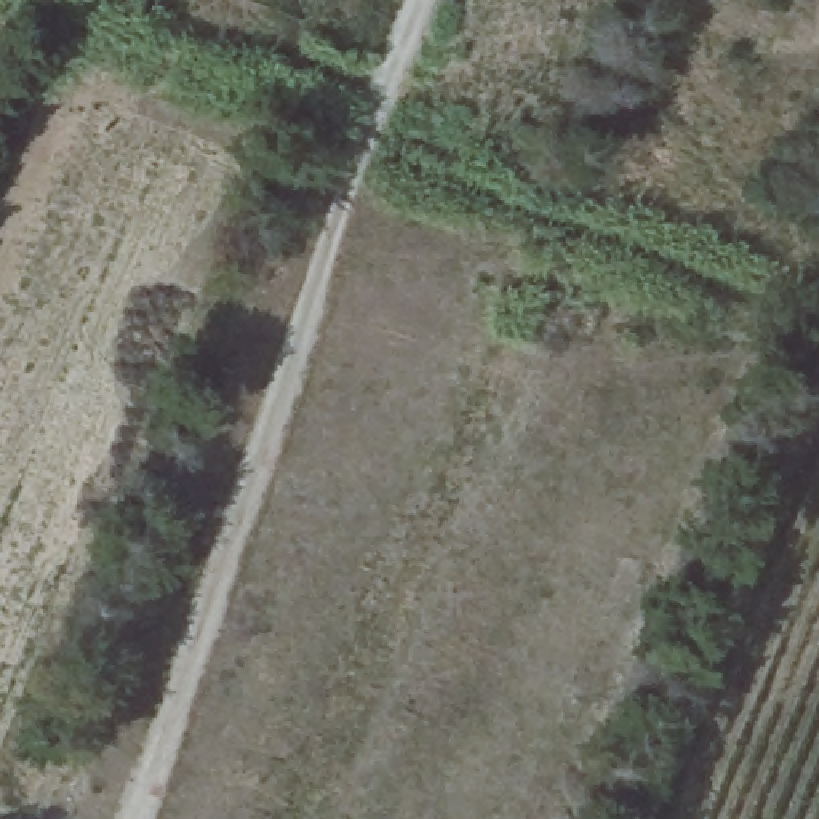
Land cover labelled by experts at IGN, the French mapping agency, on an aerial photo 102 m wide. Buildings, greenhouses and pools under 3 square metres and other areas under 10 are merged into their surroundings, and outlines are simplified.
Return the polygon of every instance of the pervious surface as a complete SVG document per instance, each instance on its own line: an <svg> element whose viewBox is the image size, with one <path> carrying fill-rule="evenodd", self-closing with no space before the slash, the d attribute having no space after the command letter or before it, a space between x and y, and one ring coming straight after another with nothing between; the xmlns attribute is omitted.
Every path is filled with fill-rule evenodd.
<svg viewBox="0 0 819 819"><path fill-rule="evenodd" d="M371 80L381 90L381 106L374 112L378 128L390 122L397 109L403 77L413 67L413 58L419 54L422 35L432 22L438 0L403 0L390 29L390 48L381 67L374 67Z"/></svg>
<svg viewBox="0 0 819 819"><path fill-rule="evenodd" d="M240 464L237 493L224 509L224 528L208 553L202 582L192 598L186 640L173 656L163 701L157 707L157 717L150 720L144 755L131 774L131 784L125 787L122 809L115 819L154 819L176 761L176 749L186 733L198 678L205 672L211 643L224 621L227 592L240 566L243 544L262 505L266 483L275 470L294 397L304 384L304 368L317 342L330 275L346 237L346 224L352 218L352 205L365 186L368 166L378 160L378 141L371 141L355 160L355 176L349 182L346 202L330 205L326 224L310 253L307 278L288 326L285 358L278 362L262 394L262 406Z"/></svg>

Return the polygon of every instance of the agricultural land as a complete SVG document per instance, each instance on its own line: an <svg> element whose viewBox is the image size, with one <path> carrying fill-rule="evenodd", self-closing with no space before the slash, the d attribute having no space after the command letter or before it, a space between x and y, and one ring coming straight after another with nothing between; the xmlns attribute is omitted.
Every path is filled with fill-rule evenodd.
<svg viewBox="0 0 819 819"><path fill-rule="evenodd" d="M381 67L390 48L390 29L403 0L141 0L147 22L154 29L173 32L176 38L192 38L218 48L262 48L269 58L278 58L294 70L310 70L323 77L326 67L336 67L342 74L371 80L374 67Z"/></svg>
<svg viewBox="0 0 819 819"><path fill-rule="evenodd" d="M170 83L163 80L157 80L154 86L131 90L125 70L90 67L83 77L64 74L45 93L45 102L54 109L54 115L48 118L48 128L22 154L22 170L13 189L6 192L13 214L0 227L0 819L67 819L64 809L70 809L90 793L90 777L80 768L35 768L22 761L16 752L16 736L10 733L13 729L26 678L32 675L35 662L51 656L51 646L64 637L64 617L74 589L90 563L90 541L106 541L106 534L112 531L115 502L128 493L128 480L141 470L150 451L170 451L166 432L160 422L154 422L154 413L160 406L160 390L179 381L173 362L179 355L192 355L198 342L195 333L176 330L179 314L192 307L195 294L202 294L214 259L211 240L218 224L218 205L224 198L224 182L240 173L240 163L227 154L224 144L230 125L214 115L195 115L192 109L170 106Z"/></svg>
<svg viewBox="0 0 819 819"><path fill-rule="evenodd" d="M477 221L473 214L435 218L416 208L394 208L387 198L365 186L352 205L352 218L346 224L346 237L330 275L317 342L304 368L304 384L294 397L275 470L266 483L262 505L243 544L240 566L227 592L224 621L211 643L205 672L198 678L186 733L176 749L176 761L154 819L557 819L563 800L569 797L563 765L569 761L573 768L582 768L579 745L589 742L601 729L601 723L617 710L617 704L643 685L643 678L637 675L637 643L643 633L640 598L656 582L681 569L678 531L694 521L707 521L697 489L701 470L707 461L720 461L736 441L736 425L726 425L720 413L726 403L742 397L742 378L749 374L749 368L758 365L758 358L758 352L745 352L749 333L742 330L729 330L733 349L720 352L681 352L681 346L672 336L656 336L637 346L637 339L617 333L617 323L627 323L621 310L608 314L605 336L595 339L595 346L569 346L566 352L547 352L537 342L502 336L496 330L499 285L480 285L477 278L483 272L512 272L505 237L512 230L489 234L483 221Z"/></svg>

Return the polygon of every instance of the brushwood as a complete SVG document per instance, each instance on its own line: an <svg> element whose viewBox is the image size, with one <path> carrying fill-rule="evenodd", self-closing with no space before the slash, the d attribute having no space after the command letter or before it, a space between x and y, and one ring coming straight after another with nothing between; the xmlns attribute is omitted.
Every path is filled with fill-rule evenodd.
<svg viewBox="0 0 819 819"><path fill-rule="evenodd" d="M771 349L793 323L793 317L781 304L781 294L800 294L806 288L806 266L819 259L819 256L813 253L803 262L797 262L768 237L793 221L800 224L806 240L819 240L819 106L800 115L800 122L790 131L761 141L761 166L758 173L749 173L742 182L739 202L761 218L761 234L733 227L733 211L688 211L678 208L662 189L646 189L637 179L630 182L627 160L649 166L656 160L653 138L608 141L605 134L595 134L589 128L582 134L557 134L553 150L569 176L547 179L544 186L521 163L521 154L515 150L509 134L470 131L473 115L461 106L457 96L448 96L445 64L461 61L464 54L464 45L454 35L451 0L438 0L432 22L422 35L419 54L413 58L413 67L403 77L397 109L390 122L378 128L371 131L371 141L378 141L378 160L368 166L365 186L387 198L394 208L416 208L435 218L473 214L477 221L483 221L489 234L512 230L505 237L512 272L483 272L477 278L480 285L499 285L496 330L502 336L537 342L547 352L566 352L569 346L595 346L595 339L605 336L608 314L621 310L627 323L617 323L617 333L637 339L637 346L656 336L672 336L681 346L681 352L720 352L733 349L729 330L742 330L749 333L745 352L758 352L758 358L771 358Z"/></svg>

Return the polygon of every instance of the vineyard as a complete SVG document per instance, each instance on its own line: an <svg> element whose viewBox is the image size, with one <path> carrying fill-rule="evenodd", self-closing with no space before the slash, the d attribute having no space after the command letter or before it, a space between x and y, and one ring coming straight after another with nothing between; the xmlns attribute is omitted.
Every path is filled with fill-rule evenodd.
<svg viewBox="0 0 819 819"><path fill-rule="evenodd" d="M787 595L787 617L777 624L765 646L765 659L752 678L752 688L745 691L739 717L733 720L710 713L710 726L717 726L723 736L723 755L713 768L707 797L701 803L701 819L819 819L819 521L809 521L806 515L793 518L797 534L806 541L800 582Z"/></svg>

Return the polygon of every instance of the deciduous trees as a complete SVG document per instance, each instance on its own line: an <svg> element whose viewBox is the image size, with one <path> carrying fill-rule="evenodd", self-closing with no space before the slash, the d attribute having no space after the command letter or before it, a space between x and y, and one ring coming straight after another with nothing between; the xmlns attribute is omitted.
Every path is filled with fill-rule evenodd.
<svg viewBox="0 0 819 819"><path fill-rule="evenodd" d="M202 582L208 553L205 547L195 550L189 544L186 525L173 518L176 505L157 505L157 496L138 499L128 493L115 502L112 531L106 534L106 541L90 541L90 563L74 589L64 617L64 637L51 646L51 656L45 662L35 713L13 729L10 733L16 736L16 752L22 761L35 768L80 768L118 739L118 729L112 726L112 704L102 701L112 688L112 681L99 678L106 659L86 662L86 656L80 653L80 640L74 640L77 624L86 627L93 621L109 621L106 598L112 592L125 592L131 601L154 601L166 598L173 585L179 585L192 598Z"/></svg>
<svg viewBox="0 0 819 819"><path fill-rule="evenodd" d="M640 598L643 633L637 643L637 675L643 678L643 685L617 704L617 710L601 723L601 729L589 742L579 745L582 768L573 768L569 761L563 765L569 797L563 800L557 819L701 819L701 803L707 797L713 768L723 755L723 736L717 726L710 726L710 713L733 720L739 717L745 691L752 688L752 678L765 659L765 646L777 624L787 617L787 595L800 582L806 541L797 534L793 518L806 515L809 521L819 521L819 259L806 266L806 288L800 294L781 294L781 304L793 317L793 323L771 349L771 358L758 358L758 365L749 368L749 374L742 378L742 397L726 403L720 413L726 425L736 425L736 441L720 461L707 461L701 470L697 489L707 521L694 521L678 531L681 569L656 582Z"/></svg>
<svg viewBox="0 0 819 819"><path fill-rule="evenodd" d="M224 394L214 374L192 371L179 381L160 390L160 406L154 413L154 422L160 422L166 432L179 432L179 425L189 425L205 438L214 438L214 425L224 422Z"/></svg>
<svg viewBox="0 0 819 819"><path fill-rule="evenodd" d="M224 144L227 154L240 163L240 173L224 182L224 198L218 205L218 224L211 240L214 259L221 259L224 266L240 266L243 272L256 269L262 275L275 275L282 259L310 253L326 224L330 205L346 202L349 182L355 176L355 160L371 141L371 131L378 128L374 112L381 106L381 90L371 80L342 74L336 67L326 67L323 77L310 70L294 70L278 58L269 58L262 48L218 48L192 38L176 38L173 32L154 29L147 22L141 0L0 0L0 227L13 214L6 192L13 189L22 170L22 154L48 128L48 118L54 115L54 109L45 102L45 93L64 74L83 77L90 67L125 70L131 90L154 86L157 80L163 80L170 83L170 106L192 109L195 115L214 115L230 125Z"/></svg>

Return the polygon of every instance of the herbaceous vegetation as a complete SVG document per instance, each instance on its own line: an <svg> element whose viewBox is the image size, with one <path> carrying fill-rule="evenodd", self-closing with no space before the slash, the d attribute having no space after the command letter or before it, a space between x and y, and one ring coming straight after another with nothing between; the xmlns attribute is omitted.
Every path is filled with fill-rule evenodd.
<svg viewBox="0 0 819 819"><path fill-rule="evenodd" d="M118 729L118 739L80 768L90 777L90 793L70 809L64 809L67 819L115 819L122 809L125 787L131 784L131 774L144 755L150 720L157 717L157 707L163 701L173 656L186 640L192 598L179 585L173 585L166 598L154 601L131 601L125 592L112 592L106 598L109 621L93 621L86 627L77 624L74 640L80 640L80 653L86 656L86 662L106 659L99 678L112 681L112 688L102 701L112 704L112 726Z"/></svg>
<svg viewBox="0 0 819 819"><path fill-rule="evenodd" d="M813 253L819 256L819 240L806 240L800 224L793 221L768 237L797 262L803 262Z"/></svg>
<svg viewBox="0 0 819 819"><path fill-rule="evenodd" d="M733 211L733 227L761 234L761 218L739 202L742 182L749 173L758 173L761 166L761 141L790 131L800 122L800 115L819 106L819 0L451 0L454 35L464 45L464 54L461 61L445 64L448 96L457 96L461 106L473 115L470 131L509 134L515 150L521 154L521 163L544 186L547 179L569 176L553 150L557 134L582 134L589 128L595 134L605 134L608 141L653 138L656 160L649 166L627 160L630 182L637 179L646 189L662 189L678 208L688 211Z"/></svg>
<svg viewBox="0 0 819 819"><path fill-rule="evenodd" d="M262 394L278 362L285 358L288 326L307 278L310 253L282 259L275 275L262 275L256 269L243 272L240 266L224 266L221 259L214 259L202 294L195 294L192 307L179 314L176 330L195 333L198 342L192 355L179 355L173 362L179 381L192 371L214 374L224 394L224 422L214 425L214 438L205 438L189 425L179 425L179 432L166 432L170 451L150 451L141 470L128 480L128 493L138 499L157 496L157 505L176 505L173 518L186 525L189 544L195 550L205 547L208 553L224 528L224 509L237 493L240 464L262 406Z"/></svg>
<svg viewBox="0 0 819 819"><path fill-rule="evenodd" d="M51 656L35 662L32 675L26 678L13 729L35 713L45 662Z"/></svg>

